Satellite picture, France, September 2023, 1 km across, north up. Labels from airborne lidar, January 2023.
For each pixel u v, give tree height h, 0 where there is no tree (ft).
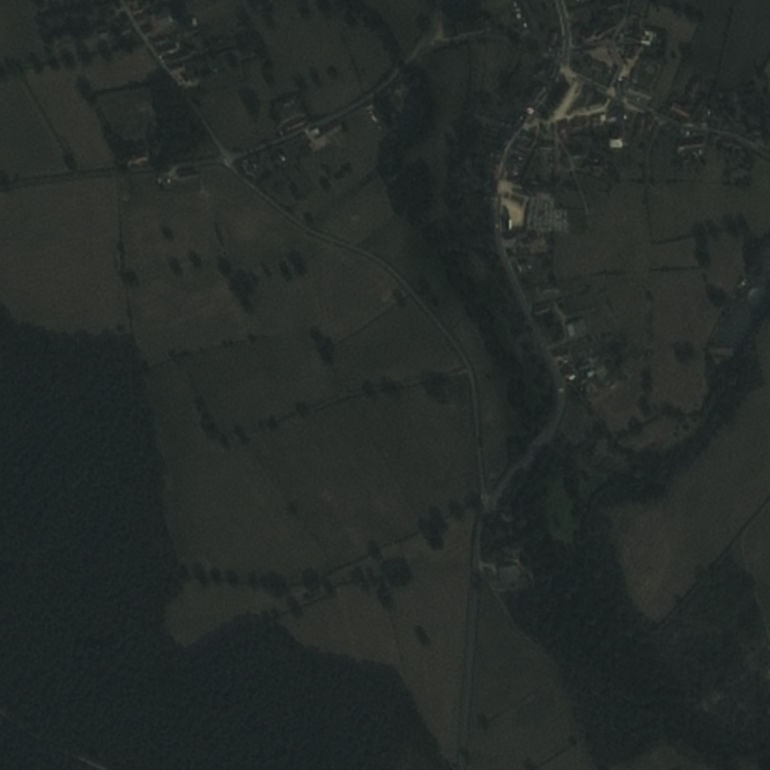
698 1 34
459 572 0
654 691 69
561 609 78
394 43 59
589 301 0
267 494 0
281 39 0
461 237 18
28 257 0
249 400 0
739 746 39
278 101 22
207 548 0
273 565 0
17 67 43
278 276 0
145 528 64
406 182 61
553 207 0
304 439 0
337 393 0
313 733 52
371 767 67
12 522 65
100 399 67
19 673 62
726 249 0
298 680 66
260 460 0
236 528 0
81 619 64
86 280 0
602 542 42
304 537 0
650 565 0
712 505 0
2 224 0
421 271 0
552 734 0
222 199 0
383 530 0
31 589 68
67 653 71
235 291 41
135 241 0
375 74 0
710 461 0
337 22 0
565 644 78
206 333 0
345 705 57
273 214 0
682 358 43
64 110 0
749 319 0
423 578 0
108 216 0
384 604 38
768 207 0
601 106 0
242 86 0
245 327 0
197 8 0
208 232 0
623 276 0
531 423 50
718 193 0
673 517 0
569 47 0
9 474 60
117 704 65
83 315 0
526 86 0
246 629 64
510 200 0
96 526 82
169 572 63
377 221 0
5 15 0
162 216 0
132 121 0
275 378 0
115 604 58
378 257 0
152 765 73
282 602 0
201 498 0
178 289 0
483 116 0
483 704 0
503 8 0
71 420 63
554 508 0
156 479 68
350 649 0
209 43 19
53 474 61
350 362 0
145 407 61
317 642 0
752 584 42
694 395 0
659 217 0
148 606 73
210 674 63
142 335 0
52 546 76
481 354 0
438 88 0
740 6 0
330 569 0
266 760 53
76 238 0
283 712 56
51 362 59
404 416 0
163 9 32
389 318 0
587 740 45
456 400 0
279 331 0
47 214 0
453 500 0
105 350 48
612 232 0
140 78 0
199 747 65
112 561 61
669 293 0
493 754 0
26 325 0
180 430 0
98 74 0
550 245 29
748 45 0
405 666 0
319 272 0
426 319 0
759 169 0
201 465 0
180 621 0
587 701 45
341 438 0
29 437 58
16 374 59
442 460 0
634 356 0
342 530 0
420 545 0
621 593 31
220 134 0
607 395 0
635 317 0
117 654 62
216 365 0
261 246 0
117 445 68
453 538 0
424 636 49
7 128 0
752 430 0
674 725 29
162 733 68
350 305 0
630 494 27
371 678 64
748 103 23
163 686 64
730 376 71
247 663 69
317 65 0
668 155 0
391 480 0
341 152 0
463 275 52
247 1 26
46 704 27
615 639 67
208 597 0
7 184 52
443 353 0
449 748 0
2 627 67
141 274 0
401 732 60
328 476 0
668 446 0
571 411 0
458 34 0
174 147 45
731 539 0
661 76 0
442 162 0
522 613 64
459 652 0
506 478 0
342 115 0
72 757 66
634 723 56
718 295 48
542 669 0
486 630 0
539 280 0
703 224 0
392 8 0
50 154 0
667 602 0
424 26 43
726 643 41
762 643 0
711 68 0
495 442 0
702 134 0
